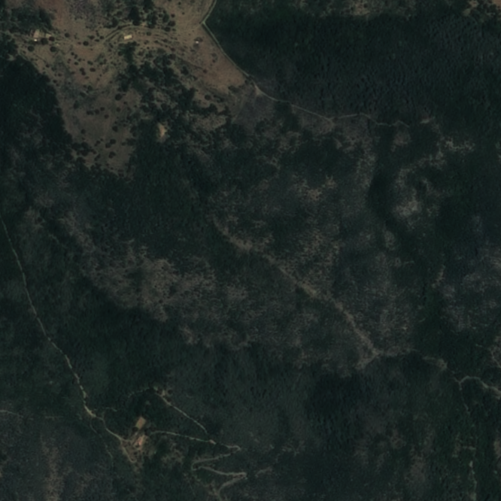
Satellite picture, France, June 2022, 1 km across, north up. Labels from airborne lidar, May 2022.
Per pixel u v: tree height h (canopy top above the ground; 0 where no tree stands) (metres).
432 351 9
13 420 6
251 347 13
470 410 10
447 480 12
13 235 6
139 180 8
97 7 0
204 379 7
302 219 6
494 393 9
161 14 7
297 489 6
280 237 7
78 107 6
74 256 10
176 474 10
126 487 7
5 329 8
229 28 7
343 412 10
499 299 7
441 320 6
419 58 14
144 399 8
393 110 9
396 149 6
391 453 6
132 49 8
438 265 9
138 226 8
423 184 11
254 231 6
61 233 7
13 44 9
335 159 9
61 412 7
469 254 7
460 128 8
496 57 13
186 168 10
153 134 8
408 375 7
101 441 8
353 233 6
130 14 9
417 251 10
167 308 7
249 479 8
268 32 13
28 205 9
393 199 8
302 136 6
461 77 14
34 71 7
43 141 6
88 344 9
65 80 0
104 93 7
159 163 12
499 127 9
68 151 7
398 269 7
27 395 5
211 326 7
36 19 7
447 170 8
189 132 7
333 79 10
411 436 6
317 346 6
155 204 9
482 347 7
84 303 9
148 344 9
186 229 6
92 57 0
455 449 10
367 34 15
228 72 0
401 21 11
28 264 7
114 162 0
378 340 6
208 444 6
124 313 15
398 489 7
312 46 11
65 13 0
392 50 15
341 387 9
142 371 8
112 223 8
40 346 6
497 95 17
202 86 0
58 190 6
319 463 9
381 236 8
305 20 8
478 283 6
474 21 15
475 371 8
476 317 6
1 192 8
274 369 8
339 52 11
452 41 14
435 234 8
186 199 8
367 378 6
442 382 6
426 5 6
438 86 15
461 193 11
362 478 7
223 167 8
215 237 12
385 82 7
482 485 10
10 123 7
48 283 9
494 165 7
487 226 7
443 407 6
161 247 8
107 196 7
